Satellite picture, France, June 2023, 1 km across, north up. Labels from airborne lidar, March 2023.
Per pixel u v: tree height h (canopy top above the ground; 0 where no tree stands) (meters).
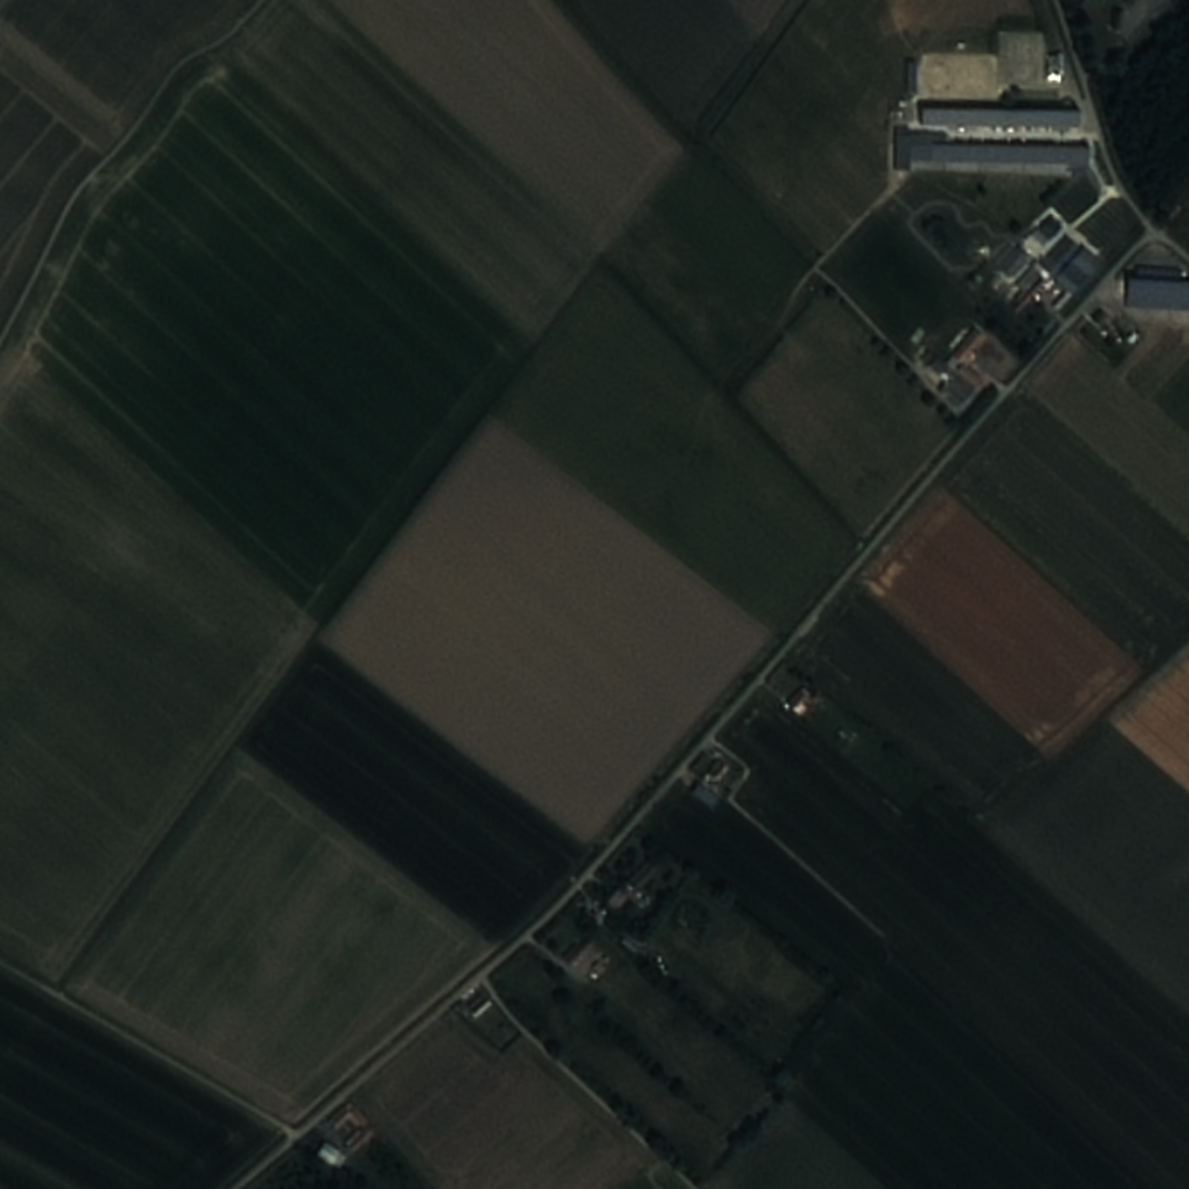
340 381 0
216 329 0
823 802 0
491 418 0
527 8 0
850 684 0
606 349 0
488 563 0
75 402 0
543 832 0
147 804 0
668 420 0
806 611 0
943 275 0
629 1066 0
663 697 0
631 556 0
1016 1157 0
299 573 0
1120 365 0
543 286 0
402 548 0
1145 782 0
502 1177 0
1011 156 0
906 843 0
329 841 0
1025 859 0
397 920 0
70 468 0
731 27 0
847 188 0
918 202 0
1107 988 0
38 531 0
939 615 0
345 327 0
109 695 0
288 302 0
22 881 0
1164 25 14
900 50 0
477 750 0
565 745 0
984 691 0
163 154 0
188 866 0
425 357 0
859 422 0
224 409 0
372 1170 0
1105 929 0
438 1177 0
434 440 0
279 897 0
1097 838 0
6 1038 0
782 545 0
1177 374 0
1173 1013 0
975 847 0
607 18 0
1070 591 0
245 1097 0
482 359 0
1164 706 0
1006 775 0
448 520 0
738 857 0
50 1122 0
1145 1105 0
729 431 0
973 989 0
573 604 0
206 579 0
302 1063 0
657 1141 17
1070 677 0
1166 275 0
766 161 0
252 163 0
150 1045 0
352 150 0
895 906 0
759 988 0
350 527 0
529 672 0
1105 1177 0
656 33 0
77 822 0
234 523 0
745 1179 0
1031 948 0
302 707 0
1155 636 0
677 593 0
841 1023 0
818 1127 0
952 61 0
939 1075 0
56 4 0
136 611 0
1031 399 0
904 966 0
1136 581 0
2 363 0
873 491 0
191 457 0
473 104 0
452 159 0
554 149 0
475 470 0
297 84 0
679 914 0
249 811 0
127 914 0
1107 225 0
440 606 0
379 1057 0
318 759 0
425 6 0
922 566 0
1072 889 0
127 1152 0
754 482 0
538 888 0
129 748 0
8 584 0
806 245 0
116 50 0
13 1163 0
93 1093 0
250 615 0
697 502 0
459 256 0
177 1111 0
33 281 0
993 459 0
